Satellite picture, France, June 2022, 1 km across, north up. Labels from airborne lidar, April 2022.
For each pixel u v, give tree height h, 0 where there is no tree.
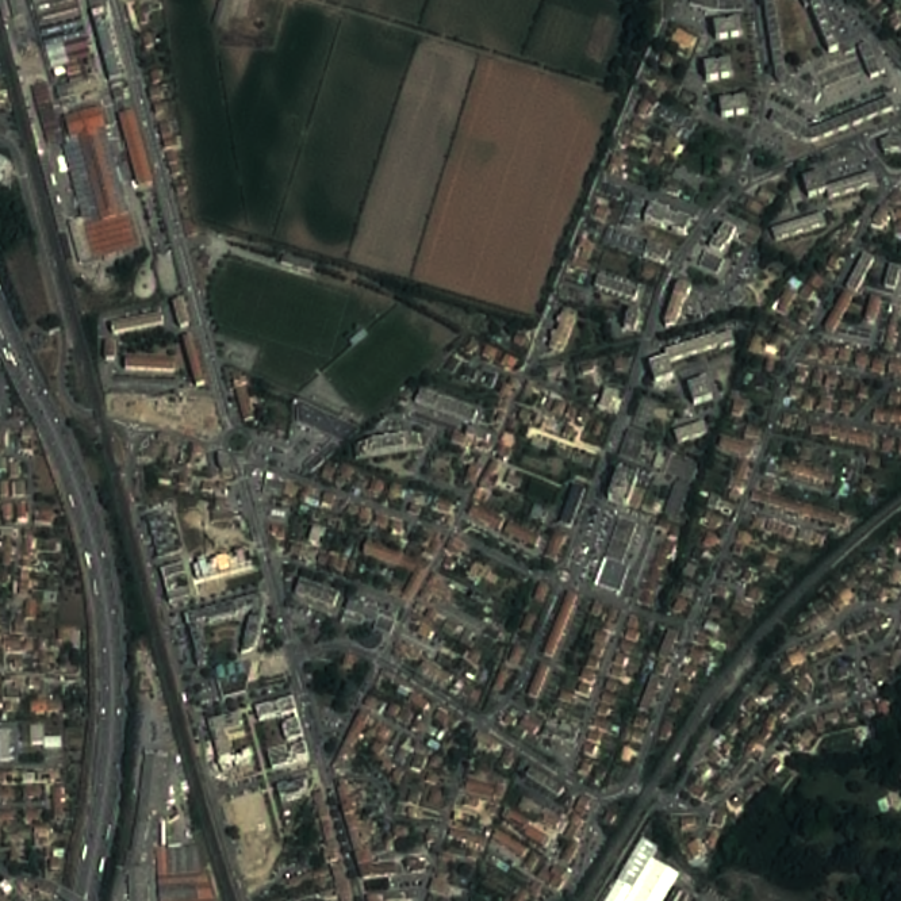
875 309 0
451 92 0
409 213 0
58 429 0
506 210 0
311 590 0
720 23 0
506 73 0
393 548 11
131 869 0
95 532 0
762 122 0
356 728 0
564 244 14
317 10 0
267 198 0
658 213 0
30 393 0
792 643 0
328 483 10
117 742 0
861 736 0
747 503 0
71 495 0
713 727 10
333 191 0
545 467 0
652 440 13
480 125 0
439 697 0
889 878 9
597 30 0
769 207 7
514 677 6
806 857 17
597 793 0
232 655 9
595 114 0
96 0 0
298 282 0
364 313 0
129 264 14
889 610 0
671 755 0
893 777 21
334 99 0
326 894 0
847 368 0
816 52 11
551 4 0
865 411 0
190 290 0
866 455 6
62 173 0
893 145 0
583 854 0
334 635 13
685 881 0
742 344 13
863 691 0
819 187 0
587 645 8
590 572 0
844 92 0
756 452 0
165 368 0
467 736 9
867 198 12
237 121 0
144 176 0
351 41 0
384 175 0
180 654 0
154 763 0
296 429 0
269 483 0
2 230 5
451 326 19
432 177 0
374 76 0
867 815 20
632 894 0
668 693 0
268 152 0
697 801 9
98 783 0
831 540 8
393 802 6
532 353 0
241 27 0
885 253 11
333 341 0
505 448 0
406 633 0
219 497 0
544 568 10
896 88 0
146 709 0
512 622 14
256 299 0
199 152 0
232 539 0
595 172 13
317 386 0
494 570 5
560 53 0
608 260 0
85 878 0
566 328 0
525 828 0
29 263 0
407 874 0
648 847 0
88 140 0
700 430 0
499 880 0
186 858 0
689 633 0
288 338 0
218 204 0
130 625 6
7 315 0
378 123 0
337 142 0
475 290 0
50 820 10
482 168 0
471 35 0
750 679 8
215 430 0
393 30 0
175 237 0
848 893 21
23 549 0
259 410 12
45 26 0
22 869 6
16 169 0
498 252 0
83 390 0
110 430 0
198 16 0
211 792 0
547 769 0
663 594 10
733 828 6
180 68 0
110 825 0
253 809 0
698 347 0
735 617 7
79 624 0
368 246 0
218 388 0
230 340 0
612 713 6
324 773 0
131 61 0
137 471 0
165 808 0
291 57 0
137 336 8
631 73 10
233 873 0
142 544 0
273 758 0
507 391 0
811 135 0
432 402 0
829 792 0
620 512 0
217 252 0
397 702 7
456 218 0
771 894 0
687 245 0
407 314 0
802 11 0
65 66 0
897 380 0
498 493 13
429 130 0
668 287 0
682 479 0
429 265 0
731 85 0
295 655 0
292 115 0
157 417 0
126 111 0
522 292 0
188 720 0
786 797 10
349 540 13
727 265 0
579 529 0
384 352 0
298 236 0
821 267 16
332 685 15
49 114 0
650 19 20
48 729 0
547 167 0
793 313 7
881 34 13
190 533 0
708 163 8
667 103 14
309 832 14
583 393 11
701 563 7
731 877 0
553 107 0
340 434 0
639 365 0
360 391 0
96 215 0
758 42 0
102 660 0
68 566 8
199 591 0
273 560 0
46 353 0
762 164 11
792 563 8
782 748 8
